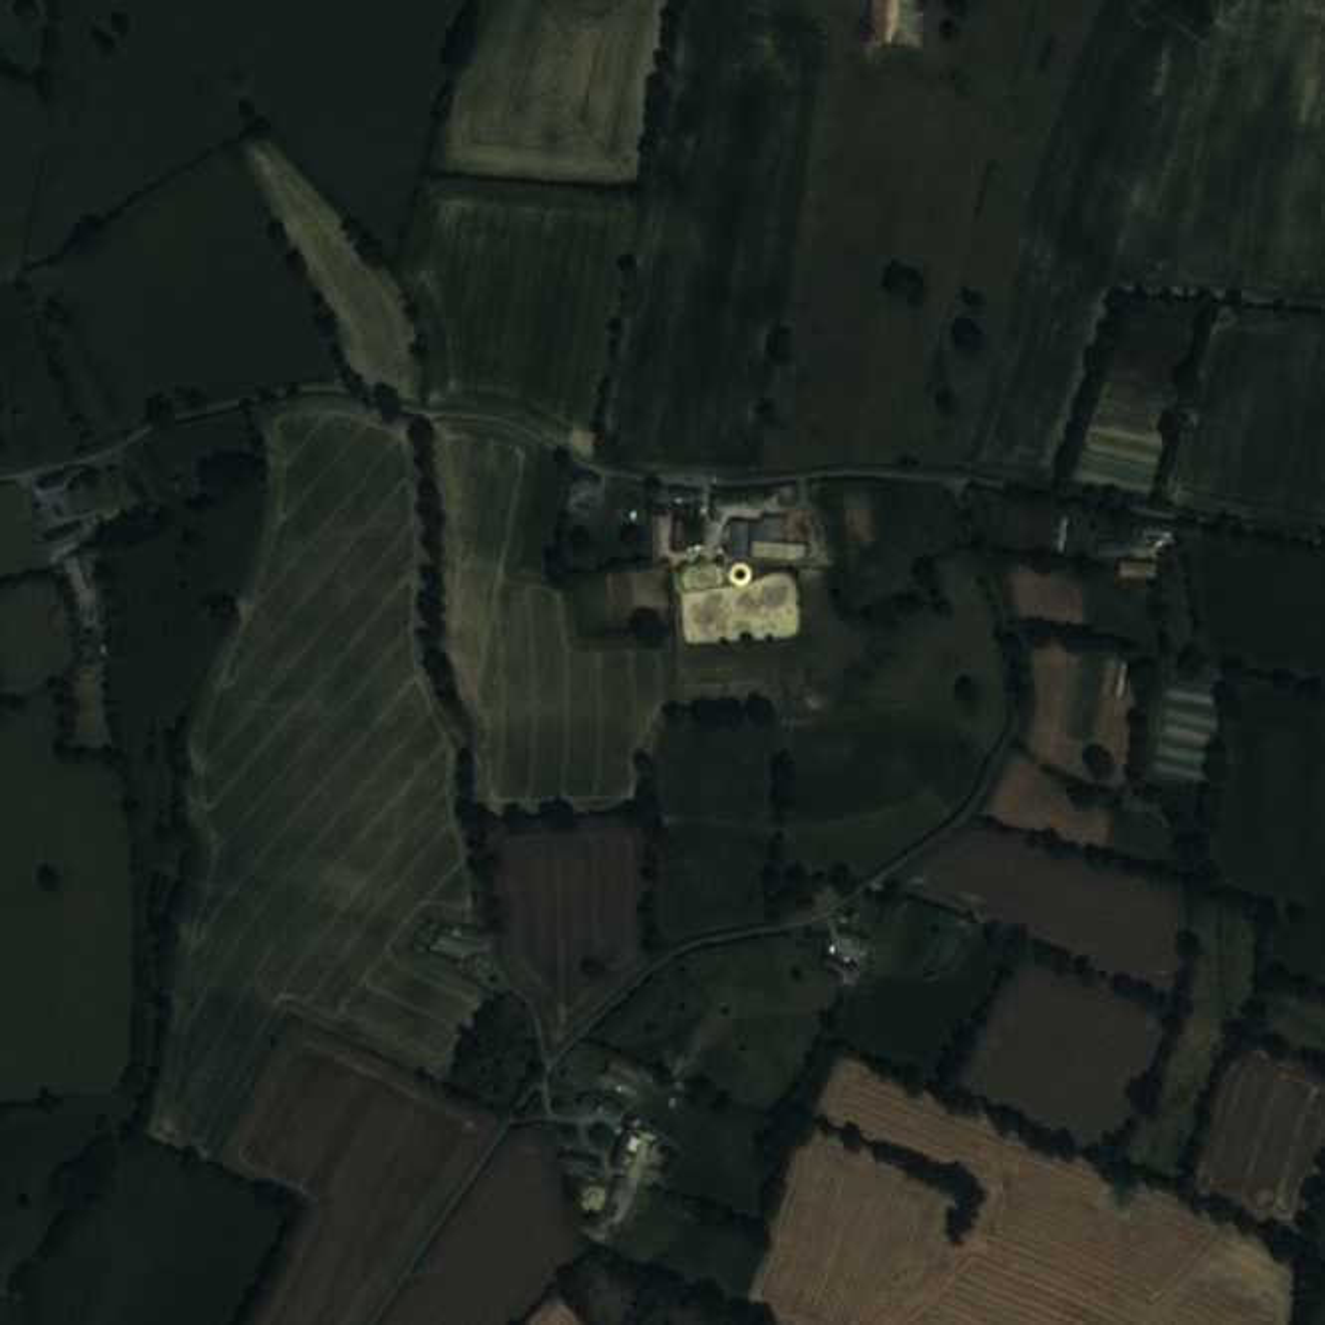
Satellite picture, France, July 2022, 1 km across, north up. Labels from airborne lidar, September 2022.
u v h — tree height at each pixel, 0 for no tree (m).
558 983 0
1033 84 0
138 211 0
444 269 0
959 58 0
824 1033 6
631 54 0
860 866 0
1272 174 0
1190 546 9
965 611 0
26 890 0
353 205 0
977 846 0
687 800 0
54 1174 6
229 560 0
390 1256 0
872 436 0
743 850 0
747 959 0
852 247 0
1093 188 0
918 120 0
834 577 0
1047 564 13
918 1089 18
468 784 15
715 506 0
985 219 0
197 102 0
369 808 0
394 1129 0
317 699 0
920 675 0
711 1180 0
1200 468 0
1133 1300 0
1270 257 0
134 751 0
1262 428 0
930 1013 0
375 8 0
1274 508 0
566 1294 8
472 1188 0
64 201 0
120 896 0
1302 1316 14
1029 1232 0
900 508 0
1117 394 0
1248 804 0
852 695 0
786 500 0
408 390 0
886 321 0
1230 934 0
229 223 0
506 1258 0
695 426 0
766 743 0
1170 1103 0
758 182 0
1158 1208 0
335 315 12
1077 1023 0
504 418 0
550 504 0
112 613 8
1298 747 0
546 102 0
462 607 0
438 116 12
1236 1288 0
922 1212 0
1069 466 15
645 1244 0
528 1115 6
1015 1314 0
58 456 0
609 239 0
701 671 0
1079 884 0
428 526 10
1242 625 0
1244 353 0
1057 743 0
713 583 0
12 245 0
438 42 0
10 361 0
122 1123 0
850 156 0
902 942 0
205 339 0
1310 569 0
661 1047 0
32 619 0
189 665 0
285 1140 0
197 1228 0
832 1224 0
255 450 14
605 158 0
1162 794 7
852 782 0
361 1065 0
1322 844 0
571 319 0
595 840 0
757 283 0
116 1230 0
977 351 20
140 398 0
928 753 0
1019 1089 0
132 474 0
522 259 0
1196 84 0
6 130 0
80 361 0
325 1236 0
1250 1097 0
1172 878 13
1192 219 0
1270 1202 0
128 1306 0
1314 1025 0
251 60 0
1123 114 0
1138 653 8
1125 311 14
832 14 0
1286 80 0
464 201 0
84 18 0
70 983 0
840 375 0
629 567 6
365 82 0
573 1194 17
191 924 0
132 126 0
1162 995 11
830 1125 16
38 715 0
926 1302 0
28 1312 0
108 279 0
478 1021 15
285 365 0
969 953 0
